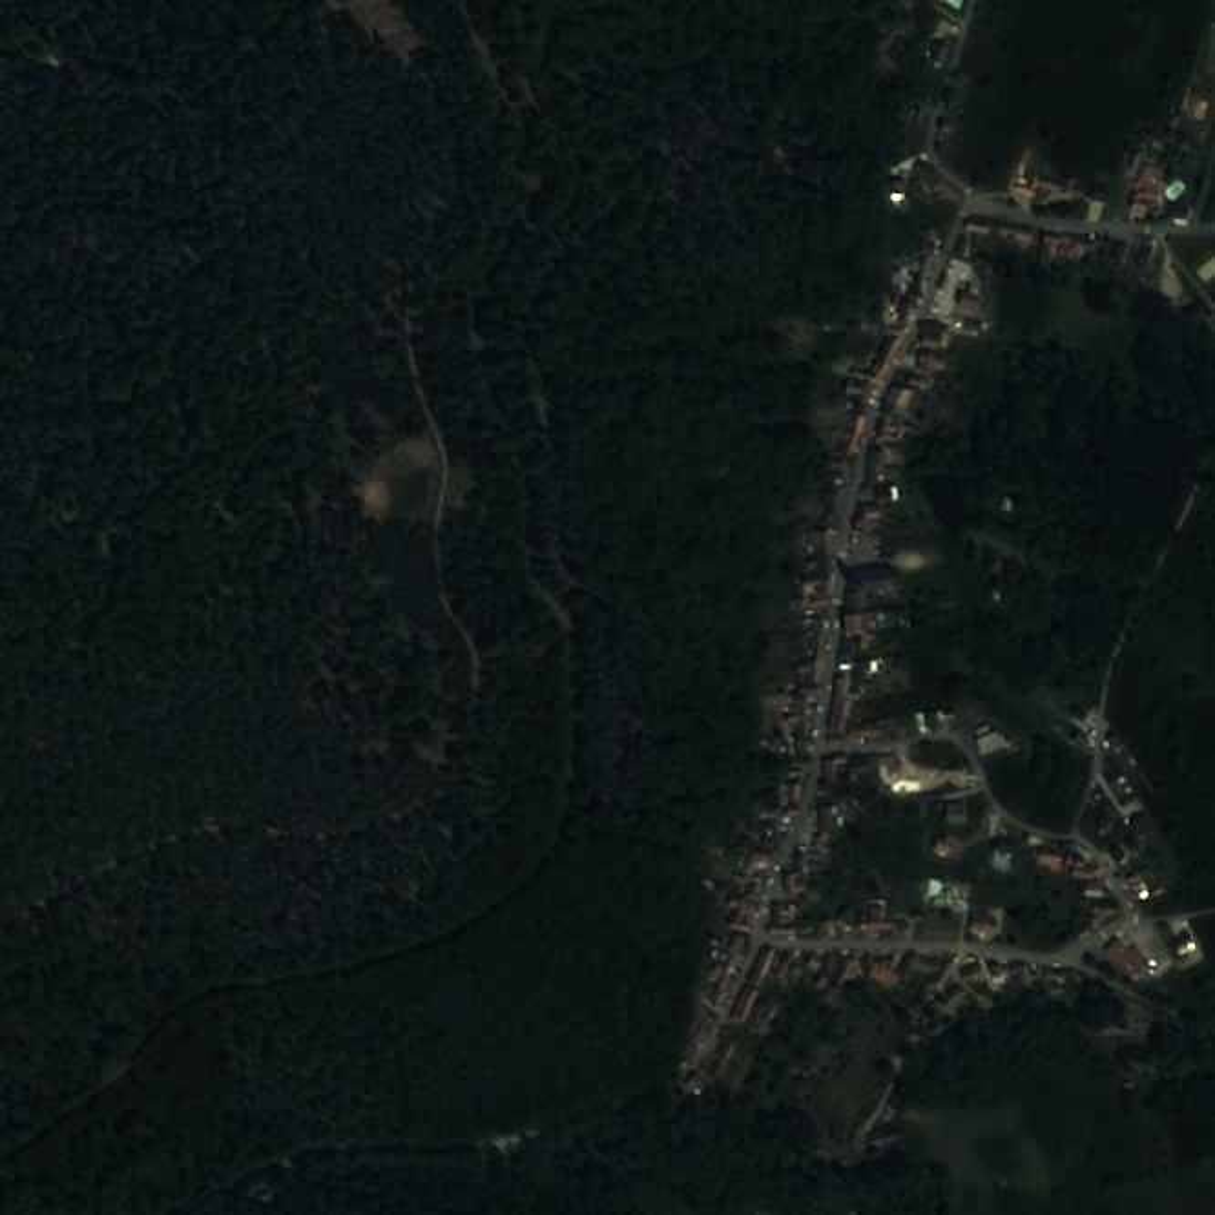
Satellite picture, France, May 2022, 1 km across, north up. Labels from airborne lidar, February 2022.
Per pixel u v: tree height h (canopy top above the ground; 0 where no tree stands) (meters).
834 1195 26
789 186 28
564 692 15
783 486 26
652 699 27
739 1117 31
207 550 20
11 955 24
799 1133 21
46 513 8
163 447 27
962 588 0
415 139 23
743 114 34
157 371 30
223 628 25
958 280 0
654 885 22
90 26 37
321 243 24
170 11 12
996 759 0
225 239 25
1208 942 0
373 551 6
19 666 20
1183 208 0
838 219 30
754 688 17
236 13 10
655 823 28
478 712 10
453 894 8
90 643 22
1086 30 0
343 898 21
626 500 29
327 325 6
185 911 6
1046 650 19
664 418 29
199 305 27
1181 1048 27
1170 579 6
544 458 24
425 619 8
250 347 26
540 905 15
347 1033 8
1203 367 40
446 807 17
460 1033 11
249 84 26
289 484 27
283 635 24
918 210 0
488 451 7
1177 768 10
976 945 0
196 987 16
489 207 24
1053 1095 0
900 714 0
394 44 18
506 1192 29
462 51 25
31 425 22
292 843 7
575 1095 15
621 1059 13
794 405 36
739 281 19
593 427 32
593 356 37
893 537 0
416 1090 13
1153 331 35
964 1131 0
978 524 27
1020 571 10
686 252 20
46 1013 27
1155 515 25
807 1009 8
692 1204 24
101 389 28
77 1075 7
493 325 34
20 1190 27
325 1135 13
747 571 24
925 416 6
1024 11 0
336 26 25
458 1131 15
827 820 0
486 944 16
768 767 18
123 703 23
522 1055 12
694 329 32
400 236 24
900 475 0
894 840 0
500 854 13
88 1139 28
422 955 16
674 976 14
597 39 26
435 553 7
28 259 27
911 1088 19
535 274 22
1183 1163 0
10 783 21
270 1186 12
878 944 0
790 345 6
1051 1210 0
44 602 25
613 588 30
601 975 14
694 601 28
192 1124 11
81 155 21
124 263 29
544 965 14
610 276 31
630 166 29
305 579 24
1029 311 0
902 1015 23
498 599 13
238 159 22
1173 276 0
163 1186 8
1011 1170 0
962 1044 26
